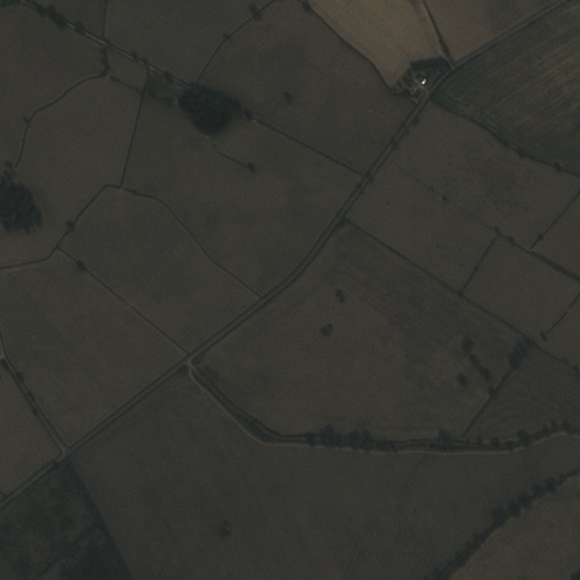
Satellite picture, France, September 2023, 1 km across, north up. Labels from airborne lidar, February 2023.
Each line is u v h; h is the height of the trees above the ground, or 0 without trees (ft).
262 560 0
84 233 0
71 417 0
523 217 0
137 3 0
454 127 0
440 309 0
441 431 0
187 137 0
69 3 0
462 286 0
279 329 0
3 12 0
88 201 0
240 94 0
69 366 0
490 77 0
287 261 0
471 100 0
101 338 0
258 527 0
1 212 59
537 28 0
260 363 0
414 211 0
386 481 0
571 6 0
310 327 0
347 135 0
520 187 0
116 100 0
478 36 0
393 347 0
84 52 0
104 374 0
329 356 0
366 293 0
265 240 0
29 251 0
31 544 0
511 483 0
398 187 0
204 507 0
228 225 0
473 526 0
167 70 0
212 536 0
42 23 0
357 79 0
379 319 0
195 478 0
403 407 0
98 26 0
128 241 0
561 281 0
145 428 0
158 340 0
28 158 0
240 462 0
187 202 0
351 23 0
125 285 0
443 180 0
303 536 0
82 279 0
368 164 0
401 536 0
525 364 0
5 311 0
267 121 0
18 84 0
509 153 0
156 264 0
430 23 0
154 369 0
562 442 0
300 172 0
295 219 0
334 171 0
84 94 0
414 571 0
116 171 0
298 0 0
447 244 0
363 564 0
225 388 0
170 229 0
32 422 0
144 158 0
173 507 0
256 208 0
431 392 0
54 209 0
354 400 0
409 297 0
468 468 0
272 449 0
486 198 0
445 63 40
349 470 0
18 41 0
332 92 0
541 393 0
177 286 0
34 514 0
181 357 0
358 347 0
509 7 0
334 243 0
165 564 0
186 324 0
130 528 0
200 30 0
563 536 0
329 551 0
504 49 0
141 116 0
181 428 0
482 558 0
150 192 0
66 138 0
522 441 47
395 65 0
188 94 36
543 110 0
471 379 0
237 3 0
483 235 0
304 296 0
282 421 0
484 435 0
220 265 0
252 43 0
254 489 0
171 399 0
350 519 0
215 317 0
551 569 0
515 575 0
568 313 0
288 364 0
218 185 0
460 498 0
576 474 0
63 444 0
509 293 0
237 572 0
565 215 0
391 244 0
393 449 46
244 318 0
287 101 34
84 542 0
